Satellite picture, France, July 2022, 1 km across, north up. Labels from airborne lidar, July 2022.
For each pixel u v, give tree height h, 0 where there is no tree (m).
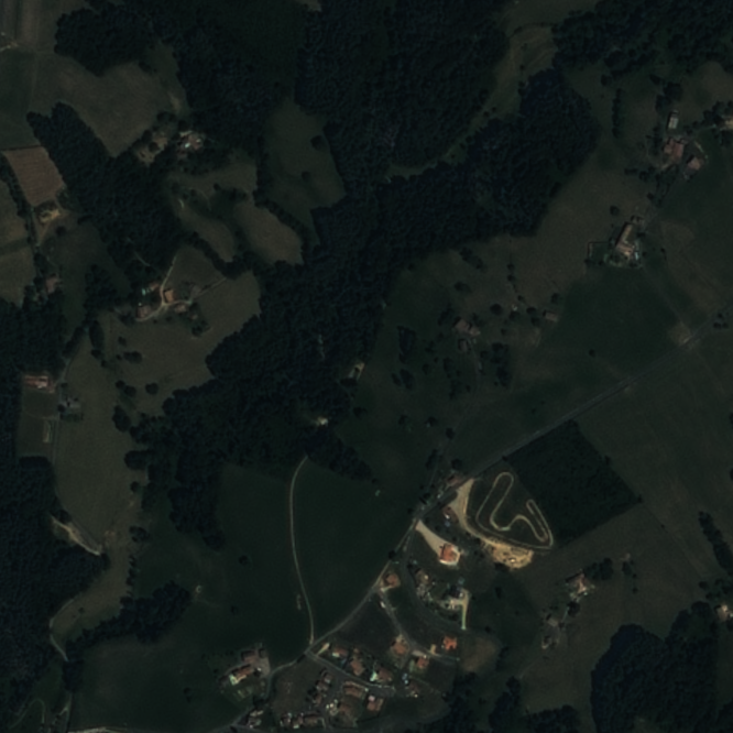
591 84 0
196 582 0
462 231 25
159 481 30
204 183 0
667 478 0
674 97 16
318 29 9
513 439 0
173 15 6
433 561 0
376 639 0
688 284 0
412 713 0
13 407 27
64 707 0
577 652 0
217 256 11
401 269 20
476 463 0
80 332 21
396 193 25
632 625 0
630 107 0
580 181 0
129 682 0
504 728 30
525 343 0
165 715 0
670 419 0
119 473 0
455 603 0
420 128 24
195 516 27
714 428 0
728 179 0
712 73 0
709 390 0
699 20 20
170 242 12
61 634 0
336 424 20
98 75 10
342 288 22
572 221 0
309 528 0
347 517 0
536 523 0
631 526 0
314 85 32
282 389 15
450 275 0
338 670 0
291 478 0
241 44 7
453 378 8
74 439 0
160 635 24
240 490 0
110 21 20
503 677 0
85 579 20
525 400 0
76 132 24
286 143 0
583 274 0
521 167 13
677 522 0
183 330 0
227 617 0
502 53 24
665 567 0
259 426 23
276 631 0
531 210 25
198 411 24
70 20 15
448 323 9
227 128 26
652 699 23
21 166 0
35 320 26
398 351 0
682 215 0
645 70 11
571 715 23
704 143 0
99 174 20
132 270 10
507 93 0
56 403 0
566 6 0
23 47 0
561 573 0
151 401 0
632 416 0
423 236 25
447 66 15
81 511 0
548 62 0
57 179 0
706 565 0
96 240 0
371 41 25
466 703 21
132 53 15
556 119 28
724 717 18
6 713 6
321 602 0
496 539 0
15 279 0
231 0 6
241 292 0
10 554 26
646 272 0
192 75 30
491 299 0
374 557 0
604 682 30
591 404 0
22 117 0
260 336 19
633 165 0
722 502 0
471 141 14
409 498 0
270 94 26
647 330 0
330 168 0
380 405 0
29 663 30
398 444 0
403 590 0
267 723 0
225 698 0
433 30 15
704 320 0
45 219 0
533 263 0
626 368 0
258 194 15
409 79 20
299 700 0
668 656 27
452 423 0
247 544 0
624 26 21
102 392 0
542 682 0
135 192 16
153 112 0
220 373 24
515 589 0
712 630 17
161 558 0
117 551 0
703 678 24
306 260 16
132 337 0
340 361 24
